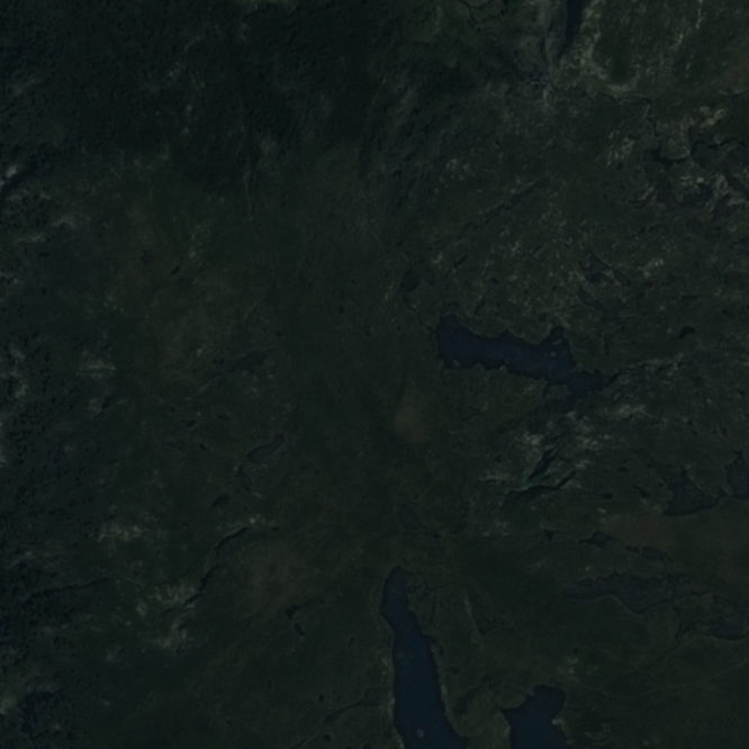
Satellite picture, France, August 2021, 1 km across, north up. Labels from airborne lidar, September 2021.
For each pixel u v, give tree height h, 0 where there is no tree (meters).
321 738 0
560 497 0
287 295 0
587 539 0
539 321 0
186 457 0
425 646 0
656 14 0
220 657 0
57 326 0
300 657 0
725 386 0
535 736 0
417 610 0
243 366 0
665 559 0
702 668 0
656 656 0
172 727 0
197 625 0
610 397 0
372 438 0
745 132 0
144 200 0
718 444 0
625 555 0
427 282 0
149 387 0
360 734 0
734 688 0
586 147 0
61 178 0
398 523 0
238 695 0
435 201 0
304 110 0
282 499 0
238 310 0
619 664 0
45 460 0
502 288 0
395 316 0
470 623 0
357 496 0
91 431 0
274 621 0
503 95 0
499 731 0
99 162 0
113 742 0
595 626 0
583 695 0
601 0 0
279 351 0
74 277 0
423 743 0
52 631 0
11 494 0
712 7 0
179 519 0
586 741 0
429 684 0
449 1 0
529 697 0
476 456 0
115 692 0
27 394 0
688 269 0
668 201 0
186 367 0
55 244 0
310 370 0
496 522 0
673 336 0
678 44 0
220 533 0
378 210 0
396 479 0
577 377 0
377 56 0
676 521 0
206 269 0
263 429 0
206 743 0
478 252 0
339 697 0
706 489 0
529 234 0
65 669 0
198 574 0
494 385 0
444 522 0
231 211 0
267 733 0
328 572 0
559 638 0
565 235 0
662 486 0
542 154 0
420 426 0
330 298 0
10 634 9
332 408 0
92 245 0
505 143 0
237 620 0
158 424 0
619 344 0
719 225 0
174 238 0
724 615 0
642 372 0
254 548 0
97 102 6
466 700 0
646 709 0
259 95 9
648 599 0
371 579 0
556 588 0
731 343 0
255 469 0
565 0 0
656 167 0
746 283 0
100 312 0
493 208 0
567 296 0
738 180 0
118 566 0
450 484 0
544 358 0
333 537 0
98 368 0
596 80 0
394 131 0
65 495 0
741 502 0
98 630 0
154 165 0
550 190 0
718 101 0
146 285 0
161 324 0
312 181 0
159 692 0
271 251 0
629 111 0
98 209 0
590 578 0
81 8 9
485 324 0
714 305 0
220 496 0
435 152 0
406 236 0
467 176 0
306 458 0
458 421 0
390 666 0
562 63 0
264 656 0
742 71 0
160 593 0
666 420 0
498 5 0
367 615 0
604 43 0
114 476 0
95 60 8
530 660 0
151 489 0
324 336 0
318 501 0
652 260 0
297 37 8
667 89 0
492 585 0
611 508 0
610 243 0
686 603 0
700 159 0
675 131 0
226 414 0
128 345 0
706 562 0
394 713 0
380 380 0
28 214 8
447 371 0
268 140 0
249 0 0
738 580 0
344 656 0
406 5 0
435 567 0
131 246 0
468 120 0
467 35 0
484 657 0
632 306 0
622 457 0
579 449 0
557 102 0
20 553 8
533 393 0
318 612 0
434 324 0
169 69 6
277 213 0
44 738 6
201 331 0
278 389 0
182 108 7
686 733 0
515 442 0
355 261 0
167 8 8
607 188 0
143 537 0
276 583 0
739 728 0
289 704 0
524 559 0
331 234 0
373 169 0
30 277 0
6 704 0
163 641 0
